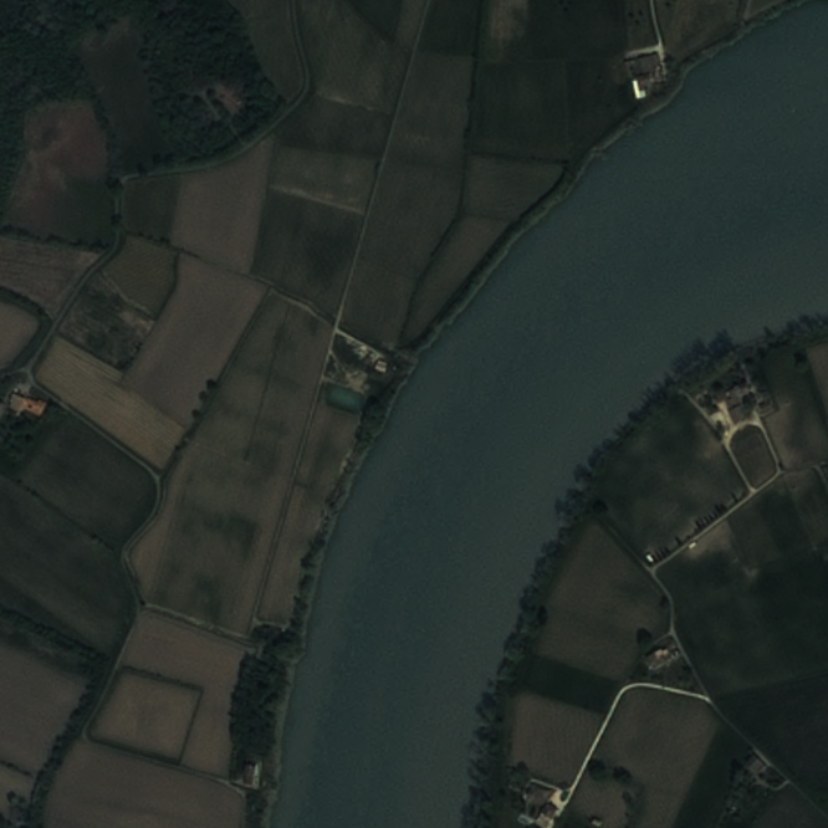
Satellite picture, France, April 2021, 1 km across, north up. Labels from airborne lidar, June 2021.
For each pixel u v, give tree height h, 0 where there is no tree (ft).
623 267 0
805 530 0
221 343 0
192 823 0
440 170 0
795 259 0
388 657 0
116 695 0
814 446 0
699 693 0
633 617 0
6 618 30
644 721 0
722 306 0
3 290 21
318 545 26
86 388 0
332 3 0
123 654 0
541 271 0
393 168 0
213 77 22
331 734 0
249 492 0
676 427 0
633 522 0
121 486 0
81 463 0
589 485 70
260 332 0
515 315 0
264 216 0
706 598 0
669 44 0
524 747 0
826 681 0
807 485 0
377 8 0
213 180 0
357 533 0
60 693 0
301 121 0
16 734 0
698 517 0
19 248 0
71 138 0
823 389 0
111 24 45
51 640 23
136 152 0
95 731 0
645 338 0
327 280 0
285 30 0
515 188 0
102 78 0
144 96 0
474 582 0
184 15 28
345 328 0
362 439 45
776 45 0
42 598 0
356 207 0
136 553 0
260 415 0
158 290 0
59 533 0
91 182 0
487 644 0
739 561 0
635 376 0
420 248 0
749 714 0
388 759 0
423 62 0
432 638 0
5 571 0
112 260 0
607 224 0
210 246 0
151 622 0
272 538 0
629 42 0
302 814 0
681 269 0
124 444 0
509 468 0
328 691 0
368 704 0
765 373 0
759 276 0
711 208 0
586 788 0
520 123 0
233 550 0
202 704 0
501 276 0
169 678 0
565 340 0
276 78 0
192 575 0
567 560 0
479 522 0
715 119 0
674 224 0
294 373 0
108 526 0
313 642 0
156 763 0
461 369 0
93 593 0
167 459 0
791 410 0
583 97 0
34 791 18
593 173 0
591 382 0
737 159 0
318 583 0
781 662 0
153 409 0
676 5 0
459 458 0
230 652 0
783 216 0
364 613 0
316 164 0
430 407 0
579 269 0
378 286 0
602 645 0
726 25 0
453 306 19
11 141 37
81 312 0
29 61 39
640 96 0
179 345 0
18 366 0
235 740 41
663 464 0
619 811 0
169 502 0
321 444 0
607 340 0
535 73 0
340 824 0
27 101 29
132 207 0
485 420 0
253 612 0
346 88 0
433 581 0
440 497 0
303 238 0
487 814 65
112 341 0
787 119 0
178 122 43
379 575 0
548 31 0
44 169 0
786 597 0
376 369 30
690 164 0
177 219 0
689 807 0
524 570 0
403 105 0
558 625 0
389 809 0
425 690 0
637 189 0
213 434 0
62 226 0
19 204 0
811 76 0
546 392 0
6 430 31
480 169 0
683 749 0
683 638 0
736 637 0
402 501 0
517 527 0
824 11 0
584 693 0
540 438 0
